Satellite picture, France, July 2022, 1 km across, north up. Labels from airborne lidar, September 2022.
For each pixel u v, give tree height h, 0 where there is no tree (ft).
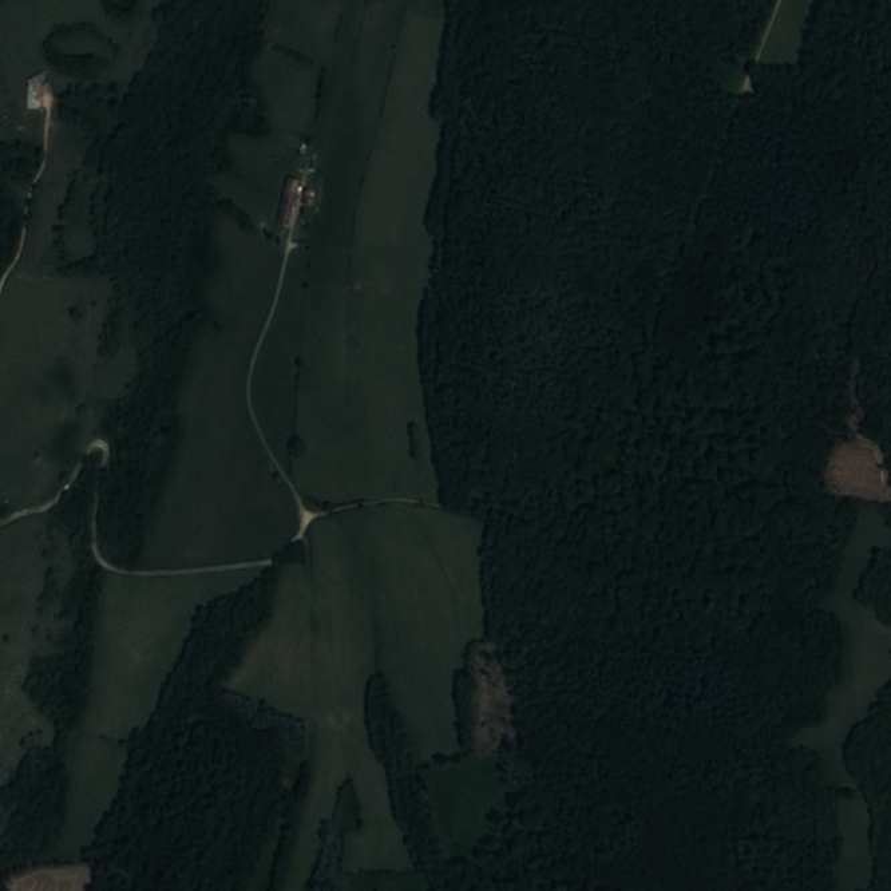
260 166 0
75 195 37
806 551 58
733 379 60
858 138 56
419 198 0
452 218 87
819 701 66
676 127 86
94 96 58
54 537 31
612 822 75
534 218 49
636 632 86
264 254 0
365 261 0
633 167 72
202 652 50
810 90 79
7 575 0
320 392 0
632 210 67
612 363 58
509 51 57
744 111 75
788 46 0
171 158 48
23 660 0
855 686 0
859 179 94
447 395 74
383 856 0
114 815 43
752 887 77
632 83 59
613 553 64
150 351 19
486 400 45
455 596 0
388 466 0
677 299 62
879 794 57
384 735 60
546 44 62
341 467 0
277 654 0
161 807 45
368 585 0
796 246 56
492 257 52
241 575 0
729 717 92
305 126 0
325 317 0
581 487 61
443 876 76
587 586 64
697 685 100
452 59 68
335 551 0
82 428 0
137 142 47
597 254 60
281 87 0
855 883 0
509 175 62
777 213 68
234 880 74
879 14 76
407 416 0
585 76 54
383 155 0
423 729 0
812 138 58
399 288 0
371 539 0
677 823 53
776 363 67
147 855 29
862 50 50
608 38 59
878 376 68
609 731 65
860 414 67
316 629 0
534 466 40
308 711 0
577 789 53
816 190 51
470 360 58
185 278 28
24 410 0
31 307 0
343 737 0
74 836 0
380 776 0
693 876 57
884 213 73
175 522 0
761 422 73
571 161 54
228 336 0
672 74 92
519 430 43
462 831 0
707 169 77
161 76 21
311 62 22
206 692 67
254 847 56
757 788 91
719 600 63
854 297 68
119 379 0
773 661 72
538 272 42
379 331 0
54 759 25
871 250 58
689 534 76
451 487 70
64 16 0
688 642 77
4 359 0
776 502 61
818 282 60
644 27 77
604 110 60
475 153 73
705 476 89
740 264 70
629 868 52
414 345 0
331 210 0
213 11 28
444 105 67
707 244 52
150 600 0
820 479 50
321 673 0
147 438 36
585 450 63
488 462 51
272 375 0
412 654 0
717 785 77
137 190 45
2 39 0
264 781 57
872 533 0
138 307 19
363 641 0
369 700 37
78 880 0
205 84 60
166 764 37
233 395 0
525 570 61
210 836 26
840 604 0
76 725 50
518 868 49
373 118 0
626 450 77
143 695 0
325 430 0
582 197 51
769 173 71
